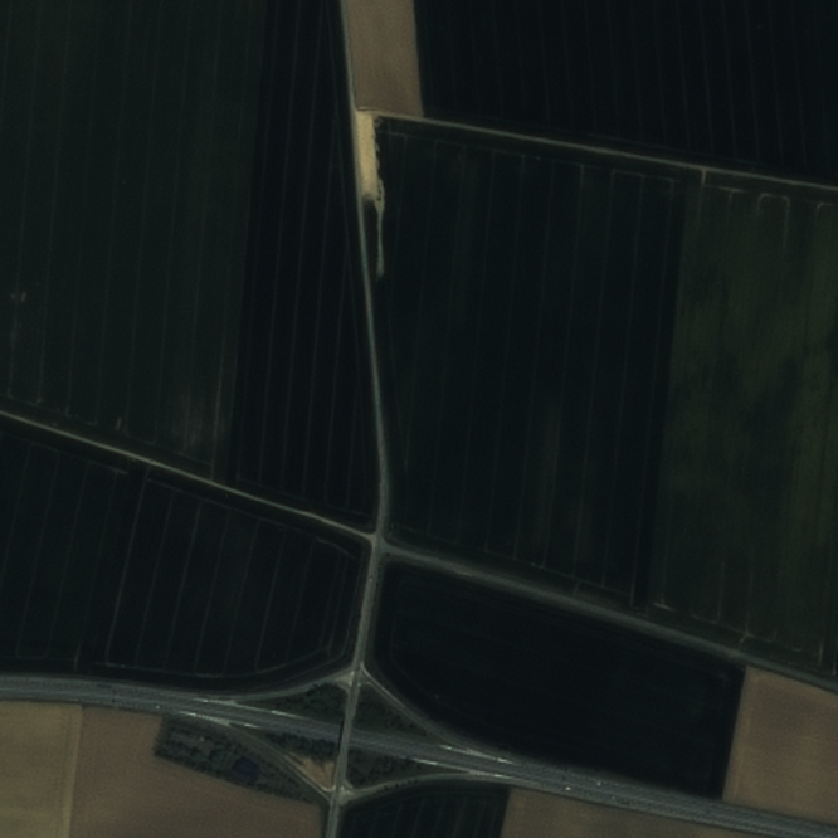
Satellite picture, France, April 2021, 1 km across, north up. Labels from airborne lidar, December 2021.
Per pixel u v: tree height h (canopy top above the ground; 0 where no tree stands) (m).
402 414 0
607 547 0
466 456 0
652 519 0
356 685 0
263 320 0
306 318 0
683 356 0
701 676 0
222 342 0
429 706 0
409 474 0
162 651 0
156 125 0
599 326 0
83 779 0
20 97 0
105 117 0
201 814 0
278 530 0
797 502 0
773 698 0
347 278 0
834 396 0
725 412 0
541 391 0
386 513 0
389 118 0
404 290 0
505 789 0
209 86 0
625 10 0
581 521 0
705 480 0
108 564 0
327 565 0
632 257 0
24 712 0
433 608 0
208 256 0
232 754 8
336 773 0
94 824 0
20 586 0
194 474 0
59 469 0
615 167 0
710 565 0
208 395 0
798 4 0
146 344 0
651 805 0
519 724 0
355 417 0
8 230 0
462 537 0
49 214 0
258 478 0
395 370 0
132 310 0
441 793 0
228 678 0
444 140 0
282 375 0
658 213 0
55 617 0
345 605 0
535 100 0
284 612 0
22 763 0
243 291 0
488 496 0
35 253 0
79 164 0
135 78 0
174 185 0
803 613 0
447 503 0
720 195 0
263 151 0
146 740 0
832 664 0
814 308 0
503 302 0
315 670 0
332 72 0
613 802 0
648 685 0
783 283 0
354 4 0
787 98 0
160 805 0
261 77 0
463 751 0
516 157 0
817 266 0
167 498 0
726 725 0
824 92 0
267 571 0
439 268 0
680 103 0
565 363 0
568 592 0
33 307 0
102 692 0
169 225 0
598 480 0
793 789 0
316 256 0
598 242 0
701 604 0
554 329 0
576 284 0
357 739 0
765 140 0
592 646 0
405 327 0
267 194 0
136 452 0
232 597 0
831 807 0
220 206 0
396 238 0
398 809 0
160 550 0
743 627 0
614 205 0
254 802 0
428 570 0
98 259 0
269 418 0
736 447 0
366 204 0
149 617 0
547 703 0
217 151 0
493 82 0
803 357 0
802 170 0
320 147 0
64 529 0
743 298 0
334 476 0
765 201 0
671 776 0
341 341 0
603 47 0
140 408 0
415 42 0
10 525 0
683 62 0
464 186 0
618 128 0
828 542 0
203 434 0
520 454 0
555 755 0
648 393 0
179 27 0
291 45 0
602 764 0
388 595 0
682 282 0
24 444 0
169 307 0
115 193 0
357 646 0
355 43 0
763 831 0
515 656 0
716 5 0
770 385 0
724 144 0
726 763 0
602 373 0
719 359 0
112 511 0
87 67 0
